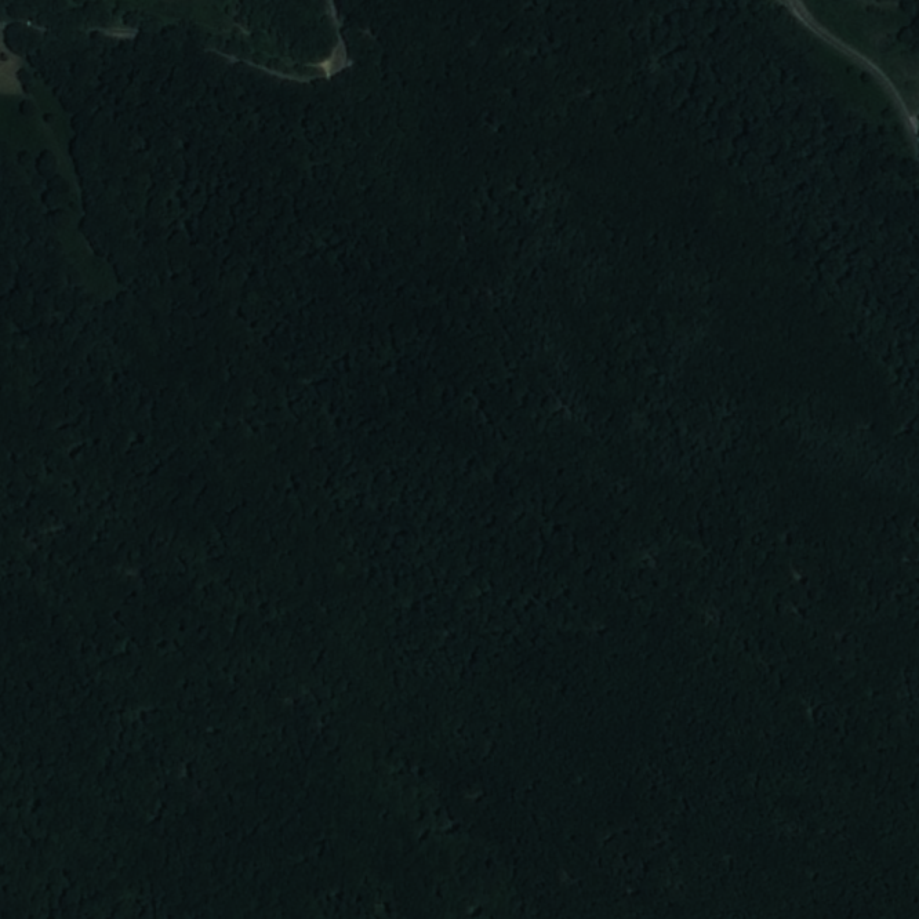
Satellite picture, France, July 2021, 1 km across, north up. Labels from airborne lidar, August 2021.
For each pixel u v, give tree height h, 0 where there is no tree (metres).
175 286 26
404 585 27
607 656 22
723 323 21
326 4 19
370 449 26
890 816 20
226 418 25
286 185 23
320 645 18
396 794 27
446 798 25
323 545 31
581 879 18
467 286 25
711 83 30
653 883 24
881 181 10
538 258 27
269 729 27
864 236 26
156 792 29
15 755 29
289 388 32
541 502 25
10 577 22
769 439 23
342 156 20
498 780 19
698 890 20
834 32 0
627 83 25
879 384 26
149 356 20
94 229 17
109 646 25
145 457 26
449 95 30
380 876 29
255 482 27
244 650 22
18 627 25
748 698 21
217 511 24
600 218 32
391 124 21
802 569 26
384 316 27
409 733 20
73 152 17
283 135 22
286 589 23
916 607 21
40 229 28
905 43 14
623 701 19
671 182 24
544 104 28
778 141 27
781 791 20
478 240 23
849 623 25
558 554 31
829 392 21
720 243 24
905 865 23
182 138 28
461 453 23
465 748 21
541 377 16
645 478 20
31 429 26
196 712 25
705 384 27
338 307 25
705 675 23
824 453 24
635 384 23
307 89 16
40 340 26
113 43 19
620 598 24
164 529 27
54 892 26
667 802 24
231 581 24
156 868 27
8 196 25
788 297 22
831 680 26
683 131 30
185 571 22
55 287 23
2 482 33
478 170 27
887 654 26
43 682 25
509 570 27
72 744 21
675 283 24
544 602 31
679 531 23
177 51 25
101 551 28
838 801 20
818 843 21
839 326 26
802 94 21
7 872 30
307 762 24
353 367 25
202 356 30
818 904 21
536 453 21
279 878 25
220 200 23
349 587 28
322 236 30
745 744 23
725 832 19
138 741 27
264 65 19
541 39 31
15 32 20
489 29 26
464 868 27
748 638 23
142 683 27
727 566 26
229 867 24
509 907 32
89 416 21
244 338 31
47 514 30
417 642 25
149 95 30
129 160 26
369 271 26
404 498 20
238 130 26
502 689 24
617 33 27
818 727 21
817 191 26
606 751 19
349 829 25
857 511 23
